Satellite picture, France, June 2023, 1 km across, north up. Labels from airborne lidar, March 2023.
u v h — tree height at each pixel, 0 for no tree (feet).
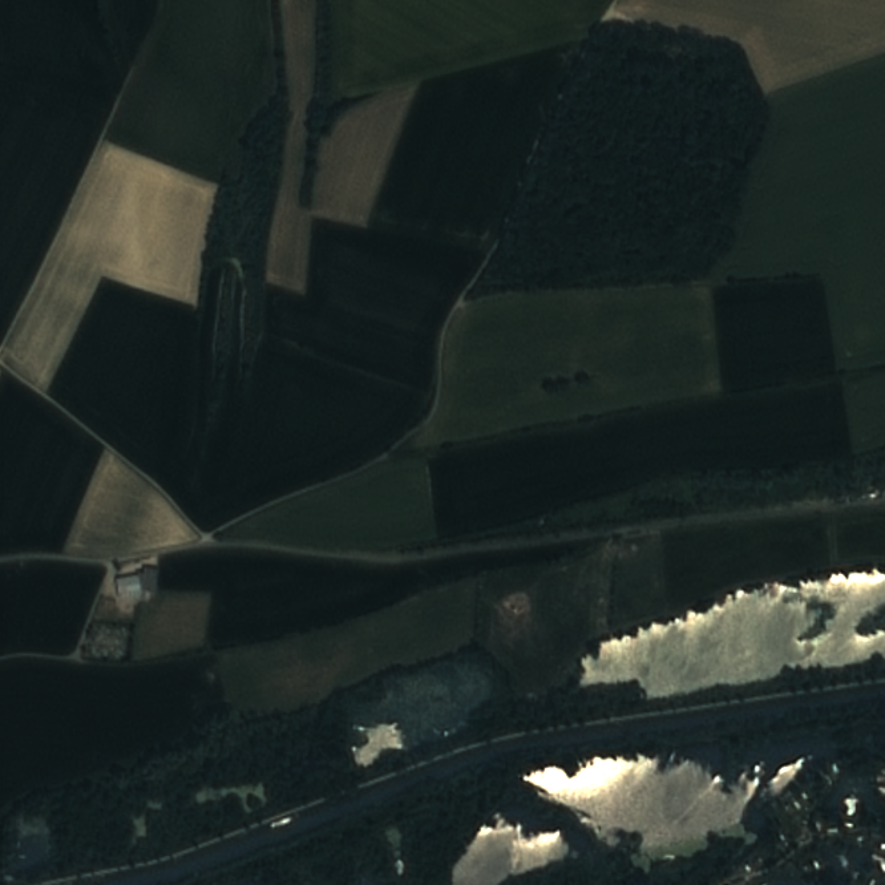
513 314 0
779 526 0
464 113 0
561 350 0
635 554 0
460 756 0
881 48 0
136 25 0
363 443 0
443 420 0
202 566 0
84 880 0
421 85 0
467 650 43
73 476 0
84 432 0
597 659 0
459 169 0
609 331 0
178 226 0
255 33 0
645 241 55
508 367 0
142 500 0
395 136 0
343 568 0
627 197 75
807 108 0
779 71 0
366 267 0
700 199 72
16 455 0
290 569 0
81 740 0
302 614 0
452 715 0
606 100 73
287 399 0
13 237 0
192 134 0
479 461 0
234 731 73
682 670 0
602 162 75
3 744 0
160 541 0
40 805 46
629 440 0
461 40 0
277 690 0
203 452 0
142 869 0
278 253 0
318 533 0
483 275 21
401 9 0
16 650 0
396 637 0
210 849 0
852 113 0
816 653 0
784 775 0
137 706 0
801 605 0
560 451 0
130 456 0
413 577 0
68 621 0
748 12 0
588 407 0
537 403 0
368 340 0
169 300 0
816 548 0
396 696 0
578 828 0
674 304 0
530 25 0
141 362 0
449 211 0
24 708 0
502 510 0
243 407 0
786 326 0
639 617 0
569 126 61
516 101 0
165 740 0
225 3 0
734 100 70
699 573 0
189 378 0
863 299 0
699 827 0
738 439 0
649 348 0
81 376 0
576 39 0
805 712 39
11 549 0
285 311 0
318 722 44
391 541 0
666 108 66
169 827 18
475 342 0
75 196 0
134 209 0
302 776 89
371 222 0
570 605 0
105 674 0
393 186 0
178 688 0
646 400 0
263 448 0
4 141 0
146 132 0
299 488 0
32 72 0
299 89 0
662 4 0
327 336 0
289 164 0
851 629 0
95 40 0
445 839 18
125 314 0
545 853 0
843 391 0
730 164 54
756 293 0
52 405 0
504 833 0
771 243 0
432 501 0
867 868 54
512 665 0
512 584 0
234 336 0
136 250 0
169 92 0
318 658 0
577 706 47
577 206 67
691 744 0
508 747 0
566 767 54
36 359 0
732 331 0
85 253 0
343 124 0
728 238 52
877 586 0
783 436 0
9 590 0
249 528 0
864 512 0
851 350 0
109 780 23
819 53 0
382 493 0
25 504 0
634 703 28
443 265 0
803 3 0
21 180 0
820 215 0
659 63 67
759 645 0
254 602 0
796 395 0
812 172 0
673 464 0
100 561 0
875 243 0
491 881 0
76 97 0
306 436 0
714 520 0
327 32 17
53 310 0
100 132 0
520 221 56
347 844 63
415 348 0
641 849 0
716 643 0
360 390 0
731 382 0
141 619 0
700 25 0
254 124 26
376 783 0
